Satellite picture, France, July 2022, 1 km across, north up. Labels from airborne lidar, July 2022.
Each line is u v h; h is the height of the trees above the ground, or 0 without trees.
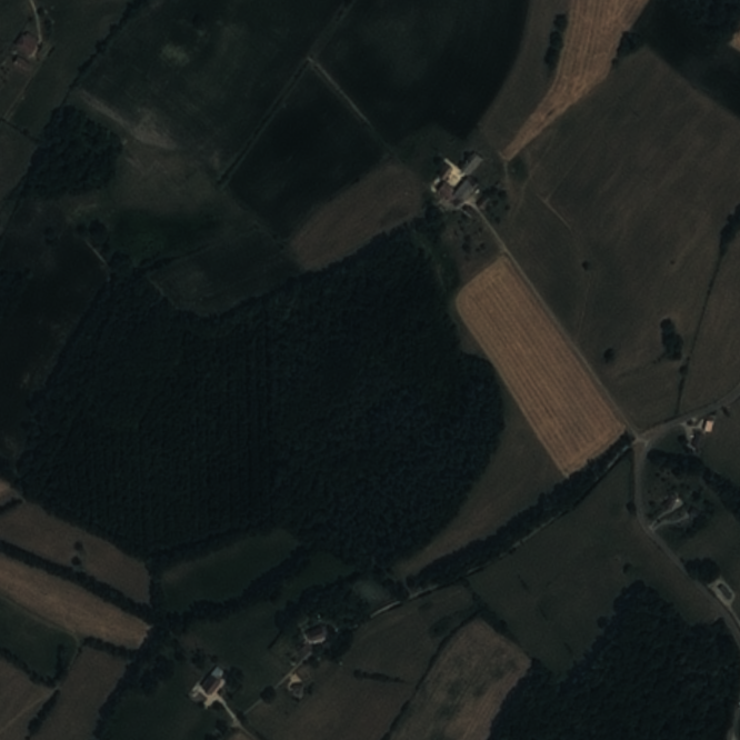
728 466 0
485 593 0
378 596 0
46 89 0
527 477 0
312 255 0
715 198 0
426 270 11
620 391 0
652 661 26
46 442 19
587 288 0
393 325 16
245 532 17
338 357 20
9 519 0
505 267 0
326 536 30
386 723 0
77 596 0
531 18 0
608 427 0
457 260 0
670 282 0
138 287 24
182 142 0
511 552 10
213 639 0
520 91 0
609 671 21
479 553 20
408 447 20
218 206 0
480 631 0
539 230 0
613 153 0
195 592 0
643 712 27
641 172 0
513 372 0
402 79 0
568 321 0
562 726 22
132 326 30
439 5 0
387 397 12
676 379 0
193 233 0
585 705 23
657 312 0
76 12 0
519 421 0
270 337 9
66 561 0
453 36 0
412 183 0
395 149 0
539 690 20
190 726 0
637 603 25
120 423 23
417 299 18
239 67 0
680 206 0
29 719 0
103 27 0
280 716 0
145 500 10
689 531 8
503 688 0
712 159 0
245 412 15
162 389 11
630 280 0
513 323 0
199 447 8
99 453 9
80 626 0
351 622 11
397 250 19
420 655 0
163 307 22
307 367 19
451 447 26
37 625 0
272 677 0
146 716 0
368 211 0
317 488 24
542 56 0
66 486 12
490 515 0
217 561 0
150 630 0
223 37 0
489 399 30
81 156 16
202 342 12
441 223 15
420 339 11
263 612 0
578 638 0
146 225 0
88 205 0
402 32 0
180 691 0
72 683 0
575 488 18
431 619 0
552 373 0
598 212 0
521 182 0
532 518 21
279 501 20
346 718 0
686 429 0
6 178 0
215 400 11
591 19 0
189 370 11
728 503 12
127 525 12
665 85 0
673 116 0
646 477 0
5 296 24
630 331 0
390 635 0
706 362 0
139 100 0
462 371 11
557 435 0
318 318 20
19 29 0
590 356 0
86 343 17
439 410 12
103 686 0
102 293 14
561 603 0
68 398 19
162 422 10
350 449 24
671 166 0
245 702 0
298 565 20
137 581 0
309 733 0
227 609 13
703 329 0
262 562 0
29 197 9
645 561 0
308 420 21
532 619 0
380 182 0
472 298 0
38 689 0
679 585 0
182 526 8
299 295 18
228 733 18
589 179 0
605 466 17
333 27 0
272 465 9
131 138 0
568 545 0
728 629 7
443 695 0
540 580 0
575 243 0
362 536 23
